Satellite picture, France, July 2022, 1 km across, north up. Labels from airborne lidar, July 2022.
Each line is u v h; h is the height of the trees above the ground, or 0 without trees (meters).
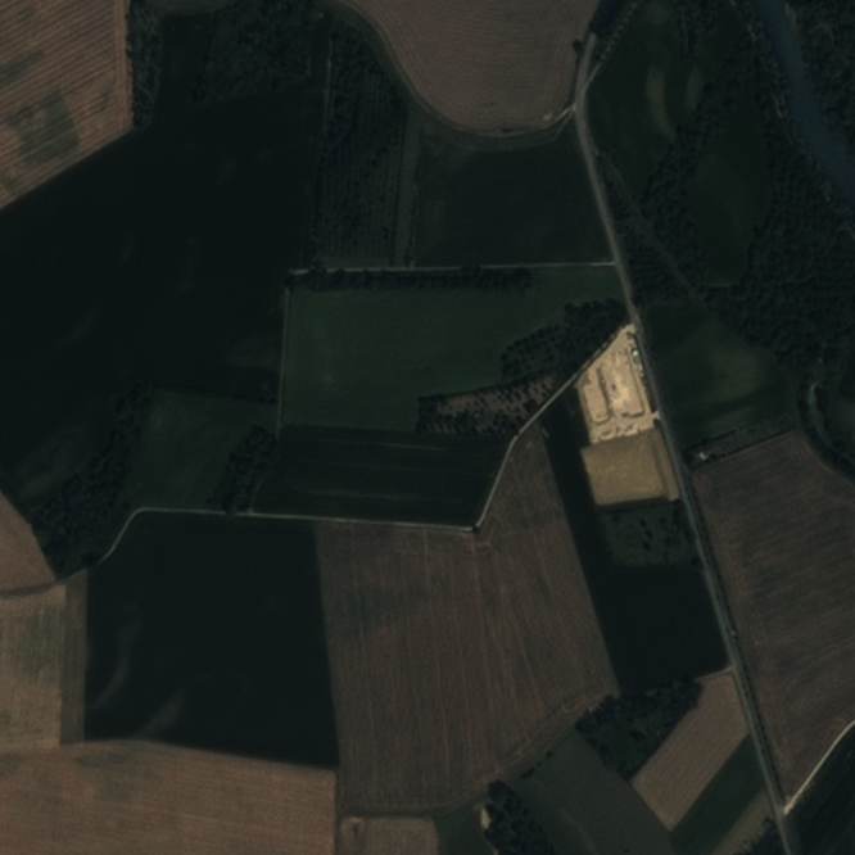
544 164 0
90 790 0
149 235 0
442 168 0
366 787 0
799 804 0
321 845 0
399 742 0
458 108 0
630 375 0
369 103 26
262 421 0
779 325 16
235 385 0
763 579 0
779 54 0
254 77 6
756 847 21
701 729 0
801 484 0
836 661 0
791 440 0
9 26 0
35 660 0
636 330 0
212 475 0
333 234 15
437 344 0
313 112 0
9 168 0
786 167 13
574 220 0
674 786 0
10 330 0
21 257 0
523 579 0
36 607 0
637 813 0
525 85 0
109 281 0
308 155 0
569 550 0
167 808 0
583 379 0
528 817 17
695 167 15
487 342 0
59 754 0
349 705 0
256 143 0
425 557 0
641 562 0
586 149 0
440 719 0
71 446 0
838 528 0
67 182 0
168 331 0
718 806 0
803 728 0
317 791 0
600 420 0
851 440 0
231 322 0
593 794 0
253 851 0
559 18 0
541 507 0
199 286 0
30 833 0
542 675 0
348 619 0
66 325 0
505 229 0
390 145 9
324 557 0
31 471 0
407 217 0
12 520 0
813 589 0
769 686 0
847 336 10
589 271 0
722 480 0
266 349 0
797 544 0
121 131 0
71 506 22
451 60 0
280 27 18
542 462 0
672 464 0
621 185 0
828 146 0
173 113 0
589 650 0
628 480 0
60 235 0
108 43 0
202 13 0
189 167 0
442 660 0
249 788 0
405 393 0
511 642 0
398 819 0
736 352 0
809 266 10
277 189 0
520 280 20
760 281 12
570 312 17
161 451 0
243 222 0
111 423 0
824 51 11
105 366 0
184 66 0
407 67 0
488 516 0
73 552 33
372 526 0
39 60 0
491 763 0
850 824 0
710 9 15
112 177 0
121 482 15
